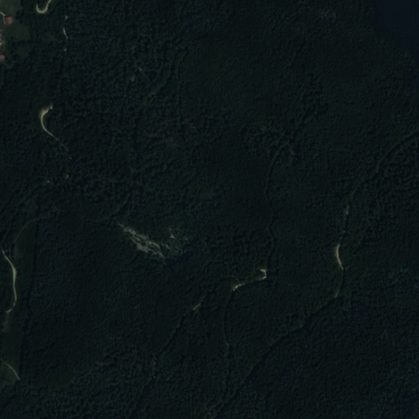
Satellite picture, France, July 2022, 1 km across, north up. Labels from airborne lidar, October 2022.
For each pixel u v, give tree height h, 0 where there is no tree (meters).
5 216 28
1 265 26
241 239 26
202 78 20
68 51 7
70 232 22
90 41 16
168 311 25
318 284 25
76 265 26
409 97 20
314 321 25
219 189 13
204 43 27
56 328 35
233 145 24
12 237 15
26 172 24
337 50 27
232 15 21
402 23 21
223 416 21
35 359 34
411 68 24
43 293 18
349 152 21
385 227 23
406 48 23
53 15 14
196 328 27
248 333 21
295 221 25
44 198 21
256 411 24
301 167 22
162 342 29
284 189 14
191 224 15
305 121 26
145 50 10
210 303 18
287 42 24
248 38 25
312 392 26
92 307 28
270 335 25
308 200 20
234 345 21
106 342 24
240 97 19
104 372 21
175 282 21
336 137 23
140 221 22
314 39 22
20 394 29
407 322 20
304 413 25
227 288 24
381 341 26
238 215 22
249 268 26
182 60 17
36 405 19
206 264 21
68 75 24
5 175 24
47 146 28
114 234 24
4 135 14
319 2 25
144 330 31
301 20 23
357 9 20
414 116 22
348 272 14
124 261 18
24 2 19
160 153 25
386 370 21
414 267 17
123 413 26
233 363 16
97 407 25
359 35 21
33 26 9
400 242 19
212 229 23
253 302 24
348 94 19
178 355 22
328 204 27
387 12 18
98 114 18
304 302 24
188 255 9
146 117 25
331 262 16
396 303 14
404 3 18
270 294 25
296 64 23
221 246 23
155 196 16
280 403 18
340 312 28
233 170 25
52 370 31
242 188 24
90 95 29
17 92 25
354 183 20
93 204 35
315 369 24
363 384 22
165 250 11
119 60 12
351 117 22
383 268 23
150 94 18
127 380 26
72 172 16
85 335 28
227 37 25
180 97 16
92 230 30
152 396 26
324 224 19
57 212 14
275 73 23
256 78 23
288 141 19
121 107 29
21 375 12
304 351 17
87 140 8
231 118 26
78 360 29
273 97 24
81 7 19
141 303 32
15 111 21
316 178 28
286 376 24
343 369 20
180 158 27
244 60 22
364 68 19
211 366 29
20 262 8
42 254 19
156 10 23
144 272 22
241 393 25
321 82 20
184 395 26
